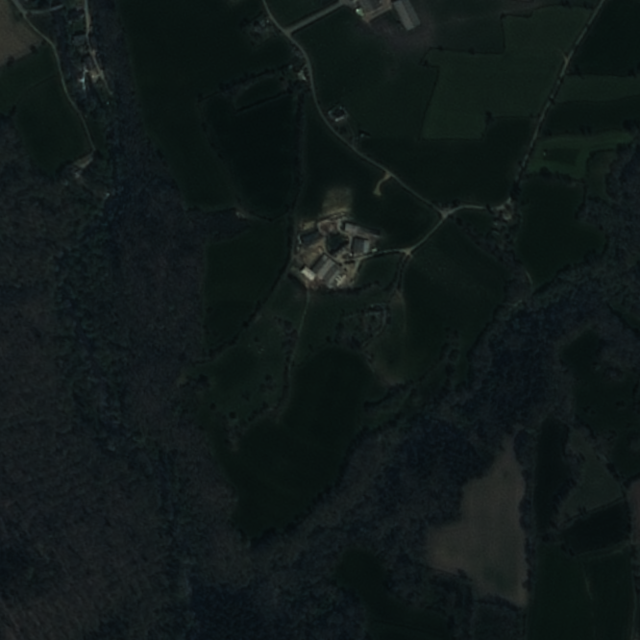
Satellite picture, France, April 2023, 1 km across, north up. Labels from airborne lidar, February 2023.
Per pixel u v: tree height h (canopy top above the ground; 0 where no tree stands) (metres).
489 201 0
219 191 0
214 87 0
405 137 0
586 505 0
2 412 25
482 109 0
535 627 0
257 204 0
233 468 0
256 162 0
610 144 0
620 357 20
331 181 0
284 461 0
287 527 0
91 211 13
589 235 0
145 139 9
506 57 0
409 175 0
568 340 18
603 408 0
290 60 0
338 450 0
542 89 0
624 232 31
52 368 23
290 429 0
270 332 0
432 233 0
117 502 21
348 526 10
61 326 23
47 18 0
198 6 0
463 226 8
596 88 0
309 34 0
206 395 0
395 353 0
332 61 0
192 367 14
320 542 20
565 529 0
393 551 24
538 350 24
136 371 22
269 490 0
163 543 22
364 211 0
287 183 0
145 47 0
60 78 0
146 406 19
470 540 0
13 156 26
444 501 20
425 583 26
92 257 21
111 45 10
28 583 16
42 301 21
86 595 22
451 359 10
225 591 24
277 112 0
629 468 0
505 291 10
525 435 7
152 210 23
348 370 0
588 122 0
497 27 0
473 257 0
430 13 0
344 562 0
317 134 0
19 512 19
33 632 20
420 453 33
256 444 0
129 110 18
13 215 24
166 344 17
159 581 22
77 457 21
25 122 0
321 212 0
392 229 0
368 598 0
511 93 0
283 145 0
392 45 0
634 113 0
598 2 0
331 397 0
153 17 0
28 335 23
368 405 7
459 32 0
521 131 0
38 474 24
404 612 0
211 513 20
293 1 0
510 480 0
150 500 23
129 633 18
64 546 28
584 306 23
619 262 16
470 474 18
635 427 0
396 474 28
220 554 20
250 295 0
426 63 8
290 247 7
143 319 17
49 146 0
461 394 17
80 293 18
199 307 12
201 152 0
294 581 18
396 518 22
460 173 0
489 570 0
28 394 24
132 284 18
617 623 0
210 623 31
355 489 21
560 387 22
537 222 0
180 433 20
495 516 0
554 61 0
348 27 0
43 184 25
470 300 0
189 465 26
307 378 0
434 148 0
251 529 0
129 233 15
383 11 0
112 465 21
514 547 0
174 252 17
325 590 24
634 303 6
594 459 0
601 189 0
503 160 0
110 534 21
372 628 0
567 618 0
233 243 0
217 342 0
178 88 0
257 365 0
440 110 0
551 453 0
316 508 16
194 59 0
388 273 0
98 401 22
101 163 14
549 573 0
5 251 24
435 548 0
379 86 0
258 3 0
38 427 25
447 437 27
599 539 0
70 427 9
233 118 0
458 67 0
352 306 0
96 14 6
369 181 0
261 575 22
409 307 0
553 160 0
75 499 24
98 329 20
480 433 33
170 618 18
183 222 16
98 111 14
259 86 0
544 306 12
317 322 0
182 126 0
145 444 7
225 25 0
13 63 11
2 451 22
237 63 0
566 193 0
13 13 0
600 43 0
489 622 0
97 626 15
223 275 0
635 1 0
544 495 0
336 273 0
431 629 0
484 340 11
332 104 0
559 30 0
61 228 20
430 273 0
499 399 26
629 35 0
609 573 0
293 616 25
